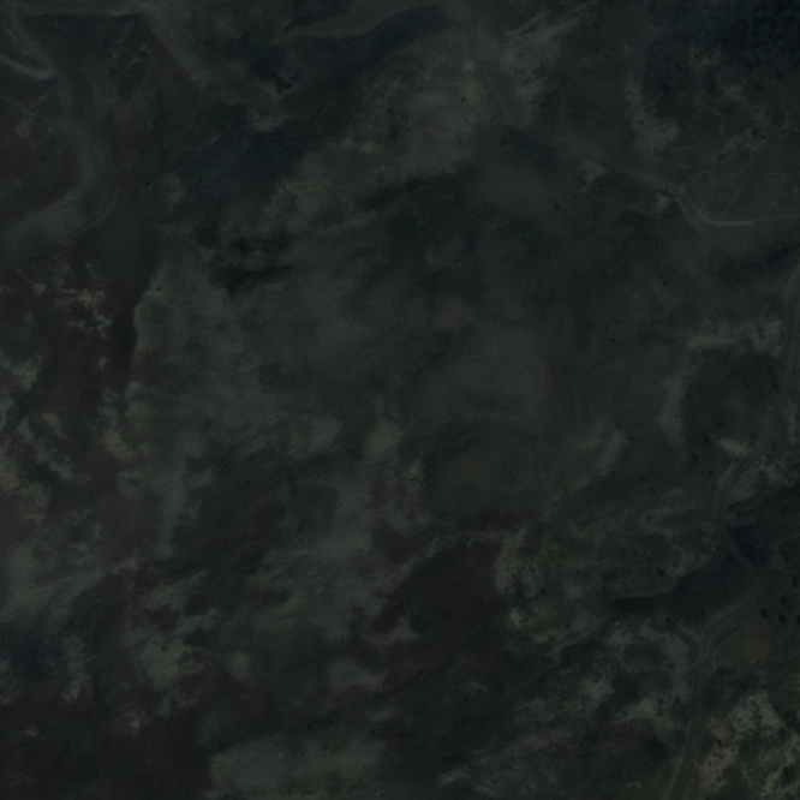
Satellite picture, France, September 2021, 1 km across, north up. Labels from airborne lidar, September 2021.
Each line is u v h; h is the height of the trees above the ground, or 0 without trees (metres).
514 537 0
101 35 0
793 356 0
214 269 0
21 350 0
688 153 0
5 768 0
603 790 0
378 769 0
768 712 0
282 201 0
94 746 0
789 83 0
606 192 0
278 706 0
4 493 0
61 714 0
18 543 0
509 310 0
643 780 0
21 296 0
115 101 0
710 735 0
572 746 0
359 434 0
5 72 0
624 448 0
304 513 0
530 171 0
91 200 0
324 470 0
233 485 0
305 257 0
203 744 0
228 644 0
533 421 0
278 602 0
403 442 0
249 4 0
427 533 0
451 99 0
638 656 0
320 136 0
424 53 0
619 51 0
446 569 0
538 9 0
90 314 0
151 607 0
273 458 0
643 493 0
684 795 0
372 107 0
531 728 0
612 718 0
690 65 0
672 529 0
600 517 0
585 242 0
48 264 0
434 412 0
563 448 0
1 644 0
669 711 0
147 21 0
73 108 0
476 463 0
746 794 0
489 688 0
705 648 0
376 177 0
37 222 0
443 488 0
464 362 0
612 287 0
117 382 0
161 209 0
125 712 0
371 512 0
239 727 0
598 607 0
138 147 0
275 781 0
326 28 0
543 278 0
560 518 0
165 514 0
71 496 0
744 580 0
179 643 0
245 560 0
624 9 0
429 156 0
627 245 0
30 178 0
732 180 0
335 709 0
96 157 0
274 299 0
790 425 0
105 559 0
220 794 0
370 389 0
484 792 0
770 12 11
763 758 0
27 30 0
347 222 0
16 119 0
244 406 0
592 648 0
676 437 0
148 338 0
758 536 0
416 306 0
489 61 0
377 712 0
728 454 0
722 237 0
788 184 0
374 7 0
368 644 0
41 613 0
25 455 0
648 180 0
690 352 0
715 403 0
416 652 0
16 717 0
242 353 0
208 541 0
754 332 0
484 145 0
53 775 0
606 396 0
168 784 0
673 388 0
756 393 0
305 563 0
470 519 0
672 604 0
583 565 0
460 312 0
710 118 0
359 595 0
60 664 0
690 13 6
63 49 0
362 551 0
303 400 0
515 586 0
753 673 0
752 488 0
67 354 0
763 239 0
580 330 0
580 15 0
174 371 0
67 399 0
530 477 0
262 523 0
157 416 0
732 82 0
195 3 0
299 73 0
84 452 0
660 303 0
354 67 0
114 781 0
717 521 0
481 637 0
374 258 0
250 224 0
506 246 0
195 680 0
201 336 0
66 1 0
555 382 0
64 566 0
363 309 0
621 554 0
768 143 0
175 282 0
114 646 0
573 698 0
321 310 0
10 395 0
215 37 0
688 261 0
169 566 0
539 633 0
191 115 0
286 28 0
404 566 0
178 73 0
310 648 0
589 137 0
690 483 0
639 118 0
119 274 0
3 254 0
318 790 0
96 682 0
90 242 0
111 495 0
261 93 0
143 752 0
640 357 0
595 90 0
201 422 0
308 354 0
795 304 0
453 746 0
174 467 0
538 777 0
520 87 0
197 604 0
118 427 0
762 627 0
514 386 0
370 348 0
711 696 0
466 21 0
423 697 0
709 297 0
